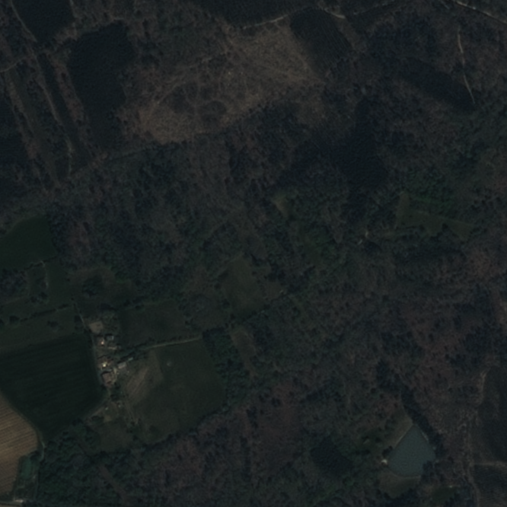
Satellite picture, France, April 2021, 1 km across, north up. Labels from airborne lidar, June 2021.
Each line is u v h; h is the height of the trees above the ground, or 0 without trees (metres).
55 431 0
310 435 16
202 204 13
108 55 9
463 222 10
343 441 14
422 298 6
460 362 15
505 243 10
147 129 0
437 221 0
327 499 8
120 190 14
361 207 11
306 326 18
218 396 0
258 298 0
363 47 12
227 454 10
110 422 0
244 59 0
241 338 0
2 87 18
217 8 14
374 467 18
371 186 12
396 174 8
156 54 6
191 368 0
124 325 0
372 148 12
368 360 8
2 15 7
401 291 12
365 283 15
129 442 0
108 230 15
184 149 13
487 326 15
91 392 0
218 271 18
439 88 9
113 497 8
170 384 0
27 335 0
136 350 12
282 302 14
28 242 0
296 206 17
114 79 10
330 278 15
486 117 14
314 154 10
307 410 7
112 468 18
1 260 0
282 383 11
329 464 19
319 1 15
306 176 7
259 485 10
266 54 0
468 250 10
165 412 0
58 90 12
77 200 19
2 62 14
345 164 12
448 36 8
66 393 0
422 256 15
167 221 16
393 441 0
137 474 10
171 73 5
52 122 20
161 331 0
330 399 21
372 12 11
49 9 12
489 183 11
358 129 11
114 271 16
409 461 0
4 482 0
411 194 17
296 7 11
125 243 16
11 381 0
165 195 9
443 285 15
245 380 20
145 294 9
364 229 16
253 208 7
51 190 18
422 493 15
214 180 19
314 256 0
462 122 17
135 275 14
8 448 0
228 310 12
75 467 21
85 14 15
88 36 12
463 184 15
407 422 0
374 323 18
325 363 16
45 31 11
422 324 11
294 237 16
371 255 18
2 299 14
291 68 0
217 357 14
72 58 10
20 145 11
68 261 12
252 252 9
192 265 17
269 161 22
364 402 11
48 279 0
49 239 0
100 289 0
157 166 8
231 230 20
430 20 8
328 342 18
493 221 13
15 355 0
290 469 14
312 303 8
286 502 10
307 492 14
